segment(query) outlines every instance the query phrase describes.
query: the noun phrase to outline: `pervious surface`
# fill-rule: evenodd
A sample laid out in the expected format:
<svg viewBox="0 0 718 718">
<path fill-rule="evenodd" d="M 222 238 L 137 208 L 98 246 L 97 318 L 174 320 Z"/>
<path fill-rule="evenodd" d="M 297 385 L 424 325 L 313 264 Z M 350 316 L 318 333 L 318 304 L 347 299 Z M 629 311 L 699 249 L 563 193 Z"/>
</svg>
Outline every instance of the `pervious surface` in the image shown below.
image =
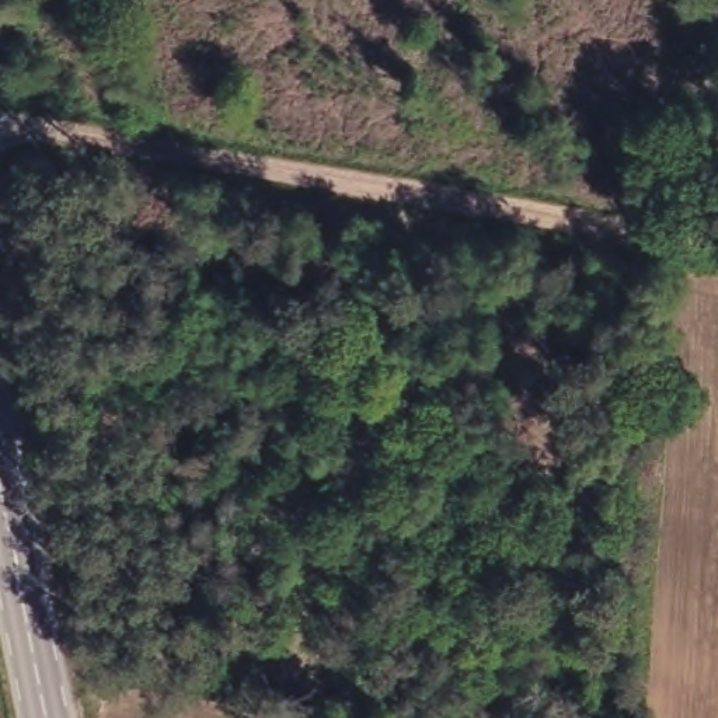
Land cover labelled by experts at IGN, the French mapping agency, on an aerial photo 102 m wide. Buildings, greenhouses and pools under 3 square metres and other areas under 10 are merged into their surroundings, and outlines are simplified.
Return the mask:
<svg viewBox="0 0 718 718">
<path fill-rule="evenodd" d="M 146 182 L 149 194 L 157 202 L 163 202 L 171 213 L 180 205 L 185 205 L 188 194 L 196 194 L 205 185 L 219 185 L 222 199 L 213 210 L 210 224 L 222 236 L 241 222 L 269 224 L 275 216 L 300 216 L 283 188 L 303 185 L 309 177 L 328 182 L 337 194 L 345 196 L 379 199 L 390 216 L 401 224 L 412 222 L 421 227 L 435 227 L 460 219 L 488 219 L 502 208 L 505 213 L 510 213 L 502 222 L 505 233 L 524 233 L 524 227 L 533 222 L 539 227 L 558 227 L 567 238 L 583 238 L 586 233 L 597 233 L 603 224 L 609 224 L 617 236 L 628 238 L 623 216 L 617 216 L 609 199 L 595 194 L 583 180 L 572 188 L 572 205 L 564 210 L 558 205 L 522 196 L 491 196 L 480 188 L 474 177 L 466 177 L 460 168 L 435 171 L 421 185 L 421 180 L 362 174 L 317 163 L 230 154 L 196 140 L 185 129 L 163 126 L 140 137 L 126 137 L 123 132 L 107 135 L 101 126 L 70 121 L 28 123 L 25 112 L 0 112 L 0 168 L 11 165 L 11 160 L 22 154 L 22 143 L 31 137 L 48 135 L 59 146 L 84 137 L 90 143 L 107 146 L 115 154 L 112 168 L 118 174 L 118 182 Z"/>
</svg>

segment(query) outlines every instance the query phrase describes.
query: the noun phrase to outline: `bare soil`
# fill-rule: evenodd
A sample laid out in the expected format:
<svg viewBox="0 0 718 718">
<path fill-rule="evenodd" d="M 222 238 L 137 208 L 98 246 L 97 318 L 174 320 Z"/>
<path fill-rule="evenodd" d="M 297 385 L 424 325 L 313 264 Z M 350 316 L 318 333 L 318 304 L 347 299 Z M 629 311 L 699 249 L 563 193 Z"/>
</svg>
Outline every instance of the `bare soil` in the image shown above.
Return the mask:
<svg viewBox="0 0 718 718">
<path fill-rule="evenodd" d="M 583 180 L 595 194 L 609 199 L 617 216 L 623 216 L 628 205 L 623 177 L 634 154 L 623 151 L 623 143 L 642 143 L 656 121 L 690 123 L 701 121 L 701 115 L 710 115 L 712 123 L 718 123 L 718 11 L 707 20 L 684 22 L 676 14 L 676 0 L 550 0 L 547 14 L 522 22 L 513 31 L 510 48 L 499 50 L 505 73 L 488 84 L 488 98 L 480 107 L 474 98 L 466 95 L 454 73 L 474 67 L 474 56 L 485 42 L 485 34 L 477 17 L 443 0 L 149 0 L 149 11 L 157 20 L 154 79 L 157 87 L 165 87 L 163 104 L 168 107 L 168 121 L 163 126 L 185 129 L 196 140 L 230 154 L 317 163 L 362 174 L 421 180 L 421 185 L 435 171 L 460 168 L 466 177 L 474 177 L 480 188 L 491 196 L 522 196 L 558 205 L 564 210 L 572 205 L 572 188 Z M 353 42 L 367 65 L 387 70 L 387 76 L 370 95 L 339 95 L 317 101 L 306 98 L 306 87 L 297 76 L 292 76 L 289 56 L 278 59 L 278 70 L 266 70 L 266 53 L 292 39 L 292 20 L 300 20 L 303 14 L 309 22 L 309 34 L 314 39 L 331 45 L 334 50 Z M 412 53 L 404 56 L 395 53 L 401 39 L 412 36 L 424 20 L 438 20 L 438 25 L 452 31 L 452 39 L 438 36 L 429 53 L 418 48 L 412 48 Z M 564 81 L 567 90 L 564 98 L 558 98 L 555 104 L 524 109 L 519 104 L 519 95 L 524 93 L 533 73 L 530 65 L 536 62 L 544 62 L 547 81 Z M 224 135 L 224 126 L 219 123 L 224 107 L 213 107 L 210 98 L 219 93 L 222 81 L 227 81 L 238 67 L 244 70 L 244 79 L 261 79 L 264 101 L 258 118 L 266 118 L 269 129 L 255 129 L 247 140 L 219 140 Z M 572 121 L 575 137 L 589 146 L 589 157 L 586 168 L 581 171 L 572 163 L 569 149 L 558 149 L 555 163 L 561 180 L 550 185 L 544 182 L 544 168 L 530 160 L 530 151 L 522 143 L 527 135 L 539 135 L 544 132 L 544 126 L 567 118 Z"/>
</svg>

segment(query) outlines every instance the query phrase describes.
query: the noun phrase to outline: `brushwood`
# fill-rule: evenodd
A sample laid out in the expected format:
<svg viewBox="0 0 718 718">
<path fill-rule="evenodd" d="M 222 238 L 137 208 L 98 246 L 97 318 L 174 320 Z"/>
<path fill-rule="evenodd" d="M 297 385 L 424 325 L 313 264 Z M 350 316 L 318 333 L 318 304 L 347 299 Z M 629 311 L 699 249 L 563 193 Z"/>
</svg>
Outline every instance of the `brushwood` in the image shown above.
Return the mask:
<svg viewBox="0 0 718 718">
<path fill-rule="evenodd" d="M 412 53 L 412 48 L 418 48 L 429 53 L 438 36 L 452 39 L 452 31 L 438 25 L 438 20 L 424 20 L 412 36 L 401 39 L 395 53 L 404 56 Z"/>
<path fill-rule="evenodd" d="M 625 620 L 625 631 L 637 634 L 634 668 L 648 665 L 651 611 L 656 592 L 651 586 L 634 583 L 620 597 L 620 606 L 634 609 L 634 614 Z"/>
<path fill-rule="evenodd" d="M 224 135 L 219 140 L 247 140 L 255 129 L 269 129 L 266 118 L 258 118 L 264 101 L 261 79 L 244 79 L 244 70 L 238 67 L 227 81 L 222 81 L 219 93 L 210 98 L 213 107 L 224 107 L 219 123 L 224 126 Z"/>
<path fill-rule="evenodd" d="M 443 0 L 477 17 L 485 34 L 485 42 L 474 56 L 474 67 L 454 73 L 466 95 L 474 98 L 480 107 L 488 98 L 488 84 L 505 73 L 499 50 L 510 48 L 513 31 L 522 22 L 547 14 L 550 0 Z"/>
<path fill-rule="evenodd" d="M 533 73 L 524 93 L 519 95 L 519 104 L 524 109 L 555 104 L 558 98 L 564 98 L 567 90 L 564 81 L 547 81 L 544 62 L 536 62 L 530 65 Z"/>
<path fill-rule="evenodd" d="M 589 157 L 589 146 L 575 137 L 572 121 L 567 118 L 544 126 L 544 132 L 539 135 L 527 135 L 522 143 L 530 151 L 530 160 L 544 168 L 544 182 L 550 185 L 561 180 L 555 163 L 558 149 L 569 149 L 572 163 L 581 171 L 586 168 Z"/>
<path fill-rule="evenodd" d="M 317 101 L 339 95 L 370 95 L 387 76 L 387 70 L 367 65 L 353 42 L 334 50 L 331 45 L 314 39 L 309 34 L 309 22 L 303 14 L 300 20 L 292 20 L 292 39 L 266 53 L 266 70 L 278 70 L 278 59 L 289 56 L 292 76 L 297 76 L 306 87 L 306 98 Z"/>
<path fill-rule="evenodd" d="M 628 432 L 614 435 L 609 457 L 595 457 L 583 468 L 572 471 L 572 477 L 583 488 L 595 480 L 609 482 L 603 510 L 609 533 L 595 541 L 595 550 L 606 558 L 620 561 L 625 558 L 628 547 L 645 550 L 656 539 L 656 527 L 645 519 L 645 499 L 637 488 L 639 474 L 651 468 L 656 457 L 662 457 L 668 440 L 648 440 L 645 432 Z"/>
<path fill-rule="evenodd" d="M 684 22 L 707 20 L 718 11 L 718 0 L 676 0 L 676 14 Z"/>
</svg>

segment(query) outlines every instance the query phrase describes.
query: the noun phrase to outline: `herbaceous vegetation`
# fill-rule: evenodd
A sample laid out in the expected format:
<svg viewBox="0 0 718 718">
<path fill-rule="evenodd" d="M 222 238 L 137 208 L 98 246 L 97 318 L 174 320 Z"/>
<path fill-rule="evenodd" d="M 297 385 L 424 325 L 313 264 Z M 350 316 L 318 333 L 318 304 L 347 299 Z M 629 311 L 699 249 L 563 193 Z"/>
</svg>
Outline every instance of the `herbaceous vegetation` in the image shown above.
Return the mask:
<svg viewBox="0 0 718 718">
<path fill-rule="evenodd" d="M 637 488 L 645 499 L 645 519 L 656 527 L 656 539 L 645 550 L 628 547 L 625 558 L 620 561 L 623 578 L 634 575 L 634 583 L 651 586 L 656 592 L 659 553 L 665 536 L 665 488 L 656 482 L 651 468 L 639 474 Z"/>
<path fill-rule="evenodd" d="M 345 196 L 337 194 L 328 182 L 309 177 L 303 185 L 283 188 L 300 216 L 311 216 L 323 244 L 334 250 L 342 238 L 342 230 L 351 222 L 365 219 L 384 224 L 390 216 L 379 199 Z"/>
<path fill-rule="evenodd" d="M 3 648 L 0 648 L 0 718 L 14 718 L 14 704 L 11 704 L 11 693 L 8 693 L 8 682 L 6 682 L 6 665 L 3 665 Z"/>
</svg>

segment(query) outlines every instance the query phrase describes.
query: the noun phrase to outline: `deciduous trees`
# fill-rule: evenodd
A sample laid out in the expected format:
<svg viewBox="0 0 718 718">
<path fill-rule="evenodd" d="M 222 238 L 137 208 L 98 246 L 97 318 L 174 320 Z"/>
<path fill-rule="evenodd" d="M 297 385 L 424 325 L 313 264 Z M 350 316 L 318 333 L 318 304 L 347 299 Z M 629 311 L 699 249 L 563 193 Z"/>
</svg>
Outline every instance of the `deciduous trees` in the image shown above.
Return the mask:
<svg viewBox="0 0 718 718">
<path fill-rule="evenodd" d="M 48 56 L 45 65 L 39 65 L 31 73 L 17 73 L 14 67 L 6 70 L 3 90 L 8 98 L 28 98 L 50 87 L 50 81 L 67 62 Z"/>
<path fill-rule="evenodd" d="M 107 101 L 123 107 L 123 132 L 126 137 L 140 137 L 163 126 L 168 121 L 168 107 L 163 104 L 165 87 L 157 87 L 154 79 L 157 20 L 149 11 L 140 17 L 135 3 L 121 17 L 112 11 L 112 17 L 95 34 L 84 36 L 87 53 L 79 59 L 79 65 L 87 65 L 90 70 L 129 62 L 135 79 L 126 84 L 126 90 L 107 93 Z"/>
<path fill-rule="evenodd" d="M 292 595 L 292 589 L 300 583 L 303 567 L 339 567 L 348 561 L 359 527 L 351 516 L 345 516 L 325 539 L 294 539 L 278 550 L 275 561 L 283 564 L 286 572 L 278 581 L 278 595 Z"/>
<path fill-rule="evenodd" d="M 266 510 L 266 505 L 275 496 L 294 491 L 303 480 L 325 477 L 342 468 L 348 454 L 351 421 L 362 418 L 367 424 L 379 424 L 387 415 L 393 415 L 409 381 L 443 384 L 460 370 L 480 373 L 494 370 L 499 365 L 496 328 L 482 328 L 480 356 L 471 356 L 468 351 L 452 351 L 446 359 L 432 365 L 421 356 L 387 353 L 381 348 L 381 334 L 373 309 L 359 309 L 348 303 L 345 320 L 317 314 L 289 328 L 286 334 L 272 334 L 250 320 L 247 300 L 202 294 L 199 300 L 191 300 L 194 314 L 185 317 L 177 328 L 174 351 L 151 348 L 149 356 L 137 351 L 121 353 L 118 345 L 109 345 L 98 351 L 98 373 L 87 384 L 81 404 L 76 407 L 76 429 L 98 426 L 98 398 L 107 390 L 129 384 L 140 393 L 140 398 L 151 401 L 165 381 L 177 379 L 180 373 L 199 387 L 227 395 L 230 401 L 250 398 L 261 407 L 275 407 L 289 401 L 294 393 L 292 373 L 275 376 L 264 384 L 238 384 L 238 370 L 258 362 L 258 356 L 266 348 L 280 348 L 283 353 L 306 362 L 314 376 L 334 381 L 334 395 L 320 409 L 314 409 L 317 429 L 309 435 L 294 435 L 283 446 L 280 468 L 275 468 L 241 508 L 233 510 L 233 519 L 238 524 L 255 524 L 255 519 Z"/>
<path fill-rule="evenodd" d="M 682 429 L 693 429 L 704 418 L 707 390 L 698 384 L 687 390 L 687 407 L 682 404 L 679 409 L 670 409 L 670 415 L 634 418 L 628 432 L 645 432 L 648 440 L 668 440 L 676 438 Z"/>
<path fill-rule="evenodd" d="M 438 718 L 466 718 L 474 715 L 480 704 L 496 698 L 496 668 L 524 665 L 527 639 L 544 637 L 555 623 L 555 595 L 547 595 L 541 600 L 522 597 L 510 606 L 510 611 L 496 600 L 485 606 L 471 586 L 477 581 L 477 572 L 496 558 L 510 558 L 522 564 L 541 561 L 558 567 L 558 555 L 572 533 L 572 499 L 558 488 L 524 494 L 519 516 L 513 519 L 496 510 L 505 491 L 510 488 L 510 466 L 502 463 L 499 452 L 491 449 L 491 440 L 499 440 L 508 426 L 524 421 L 519 398 L 513 398 L 502 387 L 494 393 L 480 393 L 457 412 L 452 412 L 443 404 L 418 407 L 415 418 L 395 426 L 393 435 L 381 443 L 381 449 L 373 454 L 376 468 L 370 491 L 387 494 L 387 508 L 376 510 L 376 524 L 390 530 L 393 536 L 409 539 L 412 558 L 384 561 L 384 572 L 395 578 L 398 592 L 390 592 L 381 603 L 362 614 L 356 634 L 359 639 L 365 639 L 365 645 L 376 645 L 384 651 L 409 645 L 412 639 L 424 639 L 435 651 L 449 651 L 457 637 L 471 642 L 466 656 L 460 659 L 460 690 L 466 693 L 466 698 L 449 704 Z"/>
<path fill-rule="evenodd" d="M 718 123 L 712 123 L 710 115 L 701 115 L 701 121 L 690 123 L 656 121 L 642 143 L 623 143 L 623 151 L 634 154 L 623 177 L 628 205 L 623 216 L 628 238 L 642 252 L 659 255 L 670 269 L 687 275 L 718 275 Z"/>
</svg>

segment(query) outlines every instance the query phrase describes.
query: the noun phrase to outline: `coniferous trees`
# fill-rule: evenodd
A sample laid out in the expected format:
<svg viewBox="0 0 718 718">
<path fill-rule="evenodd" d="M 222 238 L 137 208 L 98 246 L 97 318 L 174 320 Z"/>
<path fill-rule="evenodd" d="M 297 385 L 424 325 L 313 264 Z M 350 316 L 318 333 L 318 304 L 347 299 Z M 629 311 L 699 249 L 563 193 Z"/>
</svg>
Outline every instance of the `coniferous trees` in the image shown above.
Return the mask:
<svg viewBox="0 0 718 718">
<path fill-rule="evenodd" d="M 609 224 L 603 224 L 597 233 L 586 233 L 583 238 L 567 238 L 558 227 L 539 227 L 533 222 L 524 227 L 524 233 L 505 233 L 502 222 L 510 213 L 505 213 L 502 208 L 488 219 L 460 219 L 435 227 L 421 227 L 412 222 L 401 224 L 390 216 L 384 224 L 365 219 L 351 222 L 342 230 L 342 238 L 334 250 L 323 244 L 311 216 L 300 216 L 275 216 L 269 224 L 241 222 L 222 236 L 210 224 L 213 210 L 222 199 L 219 185 L 205 185 L 196 194 L 188 194 L 185 205 L 180 205 L 171 213 L 163 202 L 157 202 L 149 194 L 146 182 L 118 182 L 118 174 L 112 168 L 115 154 L 107 146 L 90 143 L 84 137 L 59 146 L 48 135 L 31 137 L 22 143 L 22 154 L 11 160 L 11 165 L 0 168 L 0 339 L 6 345 L 6 359 L 20 370 L 20 379 L 25 384 L 25 393 L 17 398 L 17 407 L 28 409 L 36 418 L 36 426 L 28 429 L 22 440 L 28 452 L 25 474 L 31 480 L 36 505 L 45 510 L 48 541 L 53 553 L 62 561 L 67 561 L 65 609 L 56 625 L 73 645 L 65 653 L 65 659 L 81 718 L 98 718 L 98 704 L 104 698 L 118 698 L 126 690 L 140 693 L 140 707 L 146 718 L 174 718 L 196 701 L 216 701 L 227 718 L 438 718 L 449 704 L 466 698 L 466 693 L 460 690 L 460 659 L 466 656 L 471 642 L 457 637 L 449 651 L 435 651 L 424 639 L 412 639 L 409 645 L 384 651 L 376 645 L 365 645 L 365 639 L 359 639 L 356 634 L 362 614 L 381 603 L 390 592 L 398 592 L 395 578 L 384 572 L 384 561 L 412 558 L 409 539 L 393 536 L 390 530 L 376 524 L 376 510 L 387 508 L 387 494 L 370 491 L 376 468 L 373 454 L 381 449 L 381 443 L 393 435 L 395 426 L 415 418 L 418 407 L 443 404 L 452 412 L 457 412 L 480 393 L 494 393 L 502 387 L 513 398 L 519 398 L 524 421 L 508 426 L 499 440 L 491 440 L 491 449 L 499 452 L 502 463 L 510 466 L 510 488 L 505 491 L 496 510 L 513 519 L 519 516 L 524 494 L 558 488 L 572 499 L 572 533 L 558 555 L 558 567 L 541 561 L 522 564 L 510 558 L 496 558 L 477 572 L 477 581 L 471 586 L 485 606 L 496 600 L 510 611 L 510 606 L 522 597 L 541 600 L 547 595 L 555 595 L 555 623 L 544 637 L 527 639 L 524 665 L 496 668 L 496 698 L 480 704 L 474 715 L 466 718 L 651 718 L 648 665 L 634 668 L 637 634 L 625 631 L 625 620 L 634 614 L 634 609 L 620 606 L 620 597 L 634 583 L 634 575 L 623 578 L 620 561 L 606 558 L 595 550 L 595 541 L 609 533 L 603 510 L 609 482 L 595 480 L 583 488 L 572 477 L 572 471 L 583 468 L 595 457 L 609 457 L 614 435 L 628 432 L 634 418 L 670 415 L 670 409 L 679 409 L 682 404 L 687 407 L 687 390 L 698 384 L 698 379 L 684 367 L 679 356 L 684 334 L 673 325 L 682 297 L 687 292 L 687 275 L 670 269 L 659 255 L 642 252 L 628 238 L 617 236 Z M 98 373 L 98 351 L 109 345 L 118 345 L 121 353 L 137 351 L 149 356 L 151 348 L 174 351 L 177 328 L 185 317 L 194 314 L 191 300 L 199 300 L 202 294 L 247 300 L 250 320 L 272 334 L 286 334 L 289 328 L 317 314 L 345 320 L 348 303 L 359 309 L 373 309 L 381 334 L 381 348 L 387 353 L 421 356 L 432 365 L 446 359 L 452 351 L 468 351 L 471 356 L 480 356 L 482 328 L 496 328 L 499 365 L 494 370 L 480 373 L 460 370 L 443 384 L 409 381 L 393 415 L 387 415 L 379 424 L 367 424 L 362 418 L 351 421 L 348 454 L 342 468 L 325 477 L 303 480 L 294 491 L 275 496 L 266 505 L 266 510 L 255 519 L 255 524 L 238 524 L 233 519 L 233 510 L 241 508 L 275 468 L 280 468 L 283 446 L 294 435 L 309 435 L 317 429 L 314 409 L 320 409 L 334 395 L 334 381 L 314 376 L 306 362 L 283 353 L 280 348 L 266 348 L 258 356 L 258 362 L 238 370 L 238 384 L 264 384 L 275 376 L 292 373 L 294 393 L 289 401 L 275 407 L 261 407 L 250 398 L 230 401 L 227 395 L 199 387 L 180 373 L 177 379 L 165 381 L 151 401 L 140 398 L 140 393 L 129 384 L 107 390 L 98 398 L 98 426 L 76 429 L 76 407 L 81 404 L 87 384 Z M 278 595 L 278 581 L 286 572 L 283 564 L 275 561 L 278 550 L 294 539 L 325 539 L 345 516 L 351 516 L 359 527 L 348 561 L 339 567 L 303 567 L 300 583 L 292 589 L 292 595 Z"/>
<path fill-rule="evenodd" d="M 79 65 L 79 59 L 87 53 L 84 36 L 95 34 L 112 17 L 112 11 L 121 17 L 135 3 L 140 17 L 149 11 L 149 0 L 0 0 L 0 112 L 25 112 L 28 123 L 70 121 L 101 126 L 107 135 L 123 132 L 123 107 L 107 101 L 107 93 L 126 90 L 126 84 L 135 79 L 129 62 L 90 70 L 87 65 Z M 3 90 L 6 70 L 14 67 L 17 73 L 31 73 L 39 65 L 45 65 L 48 56 L 67 62 L 50 81 L 50 87 L 28 98 L 8 98 Z"/>
</svg>

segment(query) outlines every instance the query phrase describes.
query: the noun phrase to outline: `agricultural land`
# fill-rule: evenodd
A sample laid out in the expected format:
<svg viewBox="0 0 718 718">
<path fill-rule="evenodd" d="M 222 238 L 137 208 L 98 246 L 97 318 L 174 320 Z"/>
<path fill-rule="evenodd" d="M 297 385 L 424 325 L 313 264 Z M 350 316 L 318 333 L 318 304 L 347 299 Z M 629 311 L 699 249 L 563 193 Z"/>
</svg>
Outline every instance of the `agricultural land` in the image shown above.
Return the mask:
<svg viewBox="0 0 718 718">
<path fill-rule="evenodd" d="M 687 275 L 687 292 L 682 297 L 673 325 L 684 334 L 679 356 L 684 367 L 698 379 L 698 384 L 707 390 L 704 418 L 693 429 L 682 429 L 676 438 L 668 440 L 662 457 L 656 457 L 651 468 L 656 482 L 665 488 L 665 536 L 659 553 L 656 592 L 651 611 L 648 665 L 651 718 L 718 718 L 718 275 Z"/>
<path fill-rule="evenodd" d="M 146 718 L 140 707 L 140 693 L 126 690 L 118 698 L 104 698 L 98 704 L 98 718 Z"/>
<path fill-rule="evenodd" d="M 174 718 L 227 718 L 216 701 L 196 701 Z"/>
</svg>

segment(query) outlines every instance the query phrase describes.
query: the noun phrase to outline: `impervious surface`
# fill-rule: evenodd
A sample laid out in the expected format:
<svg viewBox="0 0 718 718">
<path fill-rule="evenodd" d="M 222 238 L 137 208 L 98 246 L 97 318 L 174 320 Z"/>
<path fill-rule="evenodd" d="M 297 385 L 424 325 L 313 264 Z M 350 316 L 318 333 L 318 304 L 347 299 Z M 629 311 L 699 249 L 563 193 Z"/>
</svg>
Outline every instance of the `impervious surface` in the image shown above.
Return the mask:
<svg viewBox="0 0 718 718">
<path fill-rule="evenodd" d="M 6 345 L 0 339 L 0 648 L 3 648 L 3 665 L 6 665 L 6 682 L 8 682 L 8 693 L 11 693 L 11 704 L 14 704 L 14 718 L 81 718 L 65 659 L 65 653 L 73 645 L 56 625 L 65 609 L 67 561 L 62 561 L 53 553 L 48 541 L 45 510 L 36 505 L 31 480 L 25 474 L 28 452 L 22 440 L 28 429 L 36 426 L 36 418 L 28 409 L 17 407 L 17 398 L 25 393 L 25 384 L 20 379 L 20 370 L 6 359 Z"/>
</svg>

